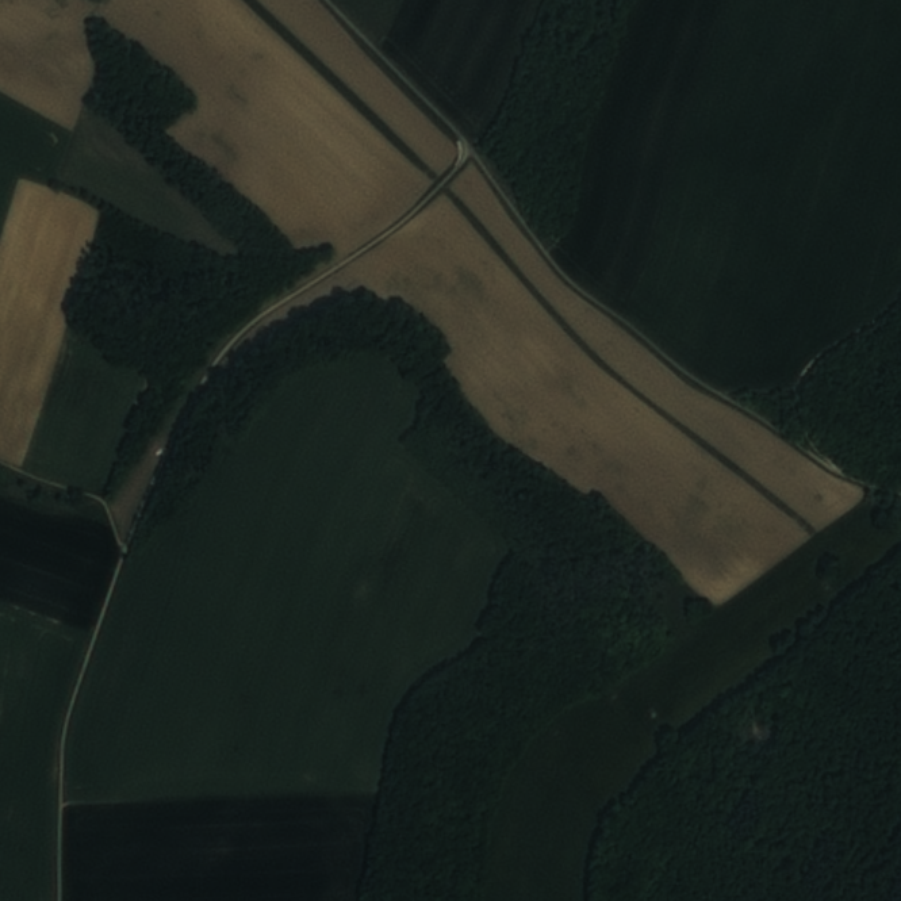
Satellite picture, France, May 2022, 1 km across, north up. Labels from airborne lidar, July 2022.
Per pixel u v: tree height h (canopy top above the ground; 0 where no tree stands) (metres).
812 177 0
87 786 0
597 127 0
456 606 0
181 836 0
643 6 0
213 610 0
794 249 0
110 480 11
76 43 0
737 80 0
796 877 20
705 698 0
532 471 22
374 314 23
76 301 25
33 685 0
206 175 18
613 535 21
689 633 0
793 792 16
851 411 14
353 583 0
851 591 16
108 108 11
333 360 18
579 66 17
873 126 0
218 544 0
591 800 0
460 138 0
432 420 23
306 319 26
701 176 0
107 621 0
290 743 0
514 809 0
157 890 0
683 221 0
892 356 18
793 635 11
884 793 14
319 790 0
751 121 0
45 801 0
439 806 18
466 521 0
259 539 0
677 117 0
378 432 0
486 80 0
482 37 0
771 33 0
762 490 0
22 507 0
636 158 0
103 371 0
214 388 18
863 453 18
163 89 22
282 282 20
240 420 20
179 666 0
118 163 0
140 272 6
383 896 18
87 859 0
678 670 0
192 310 18
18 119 0
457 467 15
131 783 0
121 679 0
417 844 19
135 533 14
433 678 20
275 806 0
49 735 0
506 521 9
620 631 18
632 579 19
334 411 0
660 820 14
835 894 15
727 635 0
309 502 0
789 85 0
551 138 14
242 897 0
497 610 17
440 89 0
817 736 16
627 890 17
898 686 19
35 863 0
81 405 0
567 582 22
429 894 22
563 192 14
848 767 15
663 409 0
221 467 0
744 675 0
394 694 0
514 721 21
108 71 21
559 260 0
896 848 15
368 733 0
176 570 0
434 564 0
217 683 0
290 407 0
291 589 0
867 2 0
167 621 0
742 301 0
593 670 17
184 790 0
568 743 0
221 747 0
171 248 13
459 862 20
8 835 0
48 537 0
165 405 17
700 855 14
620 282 0
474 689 20
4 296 0
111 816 0
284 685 0
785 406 13
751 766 14
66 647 0
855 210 0
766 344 0
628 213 0
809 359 0
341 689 0
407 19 0
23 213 0
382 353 14
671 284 0
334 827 0
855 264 0
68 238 0
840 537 0
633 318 0
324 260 16
